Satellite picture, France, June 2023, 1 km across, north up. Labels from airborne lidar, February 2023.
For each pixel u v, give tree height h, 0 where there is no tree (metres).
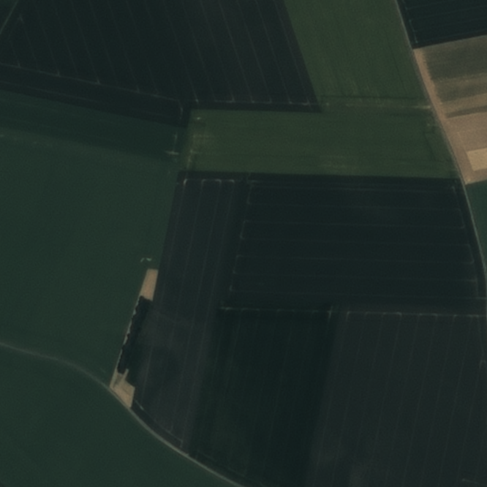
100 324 0
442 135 0
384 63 0
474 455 0
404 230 0
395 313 0
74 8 0
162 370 0
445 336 0
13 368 0
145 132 0
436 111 0
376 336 0
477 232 0
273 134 0
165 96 0
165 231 0
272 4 0
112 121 0
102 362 0
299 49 0
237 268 0
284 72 0
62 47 0
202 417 0
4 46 0
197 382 0
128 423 0
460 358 0
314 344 0
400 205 0
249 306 0
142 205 0
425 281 0
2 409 0
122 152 0
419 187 0
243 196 0
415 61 0
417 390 0
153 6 0
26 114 0
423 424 0
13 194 0
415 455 0
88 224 0
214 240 0
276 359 0
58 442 0
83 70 0
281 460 0
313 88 0
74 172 0
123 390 0
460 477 0
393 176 0
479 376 0
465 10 0
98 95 0
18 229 0
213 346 0
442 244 0
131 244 0
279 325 0
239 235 0
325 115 0
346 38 0
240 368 0
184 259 0
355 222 0
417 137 0
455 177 0
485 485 0
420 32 0
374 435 0
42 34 0
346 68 0
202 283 0
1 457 0
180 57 0
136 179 0
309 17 0
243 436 0
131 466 0
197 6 0
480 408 0
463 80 0
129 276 0
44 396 0
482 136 0
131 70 0
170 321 0
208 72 0
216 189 0
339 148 0
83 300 0
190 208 0
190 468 0
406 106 0
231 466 0
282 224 0
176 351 0
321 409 0
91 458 0
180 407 0
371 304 0
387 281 0
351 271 0
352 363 0
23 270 0
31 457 0
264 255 0
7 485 0
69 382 0
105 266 0
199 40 0
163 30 0
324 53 0
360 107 0
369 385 0
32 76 0
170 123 0
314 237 0
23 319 0
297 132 0
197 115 0
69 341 0
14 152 0
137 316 11
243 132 0
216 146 0
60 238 0
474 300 0
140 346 0
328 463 0
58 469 0
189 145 0
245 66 0
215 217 0
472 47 0
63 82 0
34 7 0
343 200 0
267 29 0
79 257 0
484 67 0
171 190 0
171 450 0
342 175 0
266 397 0
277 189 0
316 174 0
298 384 0
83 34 0
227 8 0
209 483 0
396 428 0
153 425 0
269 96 0
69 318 0
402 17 0
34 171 0
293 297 0
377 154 0
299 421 0
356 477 0
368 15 0
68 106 0
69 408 0
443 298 0
